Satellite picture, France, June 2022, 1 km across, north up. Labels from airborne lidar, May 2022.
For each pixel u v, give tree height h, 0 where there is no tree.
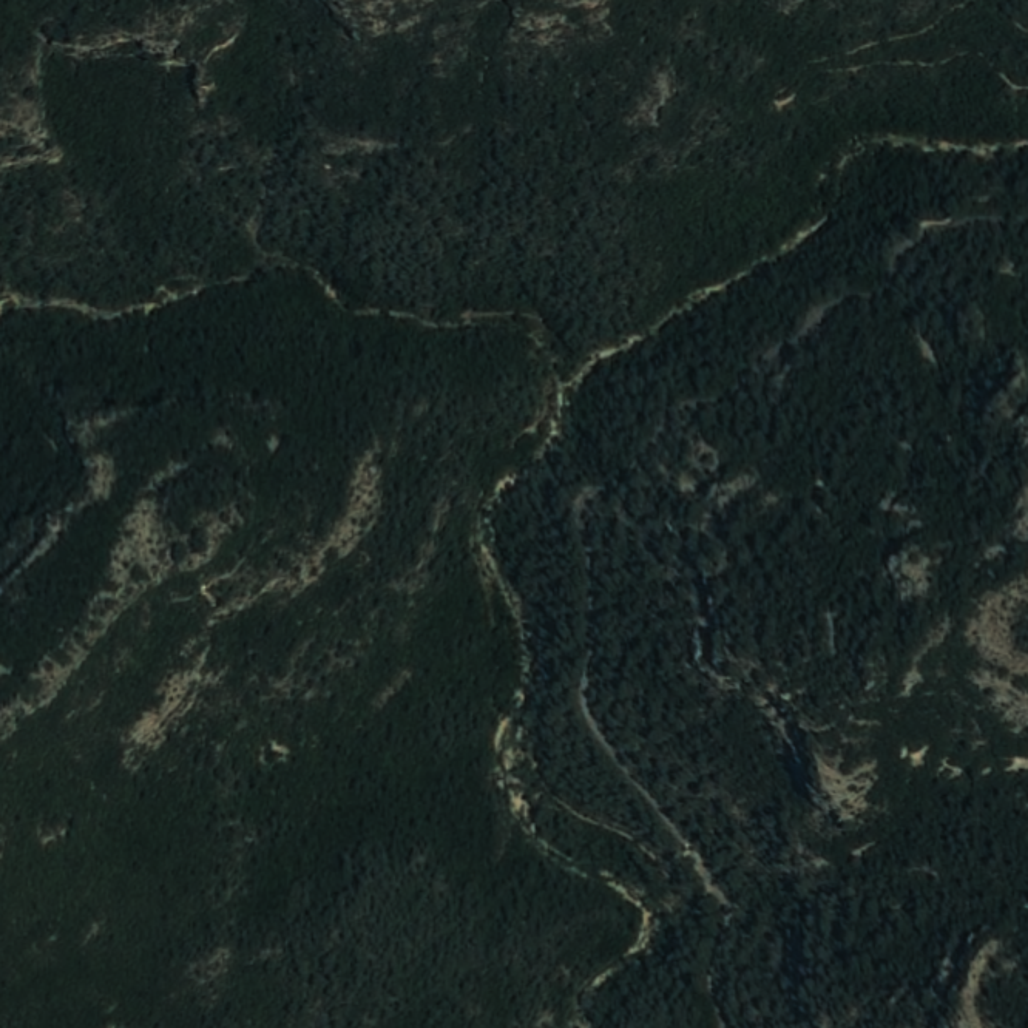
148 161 9
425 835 7
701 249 13
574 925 14
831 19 9
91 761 6
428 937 14
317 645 14
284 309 12
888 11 7
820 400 11
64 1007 6
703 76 12
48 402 7
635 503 22
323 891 17
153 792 10
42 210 7
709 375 21
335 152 17
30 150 14
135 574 7
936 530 7
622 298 25
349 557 8
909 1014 8
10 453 15
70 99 14
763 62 11
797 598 7
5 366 8
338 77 6
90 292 28
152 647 6
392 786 18
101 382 14
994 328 12
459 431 20
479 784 7
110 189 15
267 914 9
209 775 7
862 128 13
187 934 6
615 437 9
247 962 9
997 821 7
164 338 11
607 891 13
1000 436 9
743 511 20
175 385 11
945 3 13
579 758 25
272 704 6
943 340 9
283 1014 8
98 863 7
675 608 8
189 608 7
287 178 7
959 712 7
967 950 17
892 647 6
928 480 33
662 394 24
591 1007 18
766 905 7
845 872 13
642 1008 20
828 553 10
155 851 6
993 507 8
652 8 8
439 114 7
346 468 6
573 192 6
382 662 7
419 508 21
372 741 16
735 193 27
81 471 11
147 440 8
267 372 11
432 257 18
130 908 7
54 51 10
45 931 6
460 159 10
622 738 25
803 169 16
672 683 9
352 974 8
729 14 9
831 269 9
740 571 7
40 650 7
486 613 10
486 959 10
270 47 12
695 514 21
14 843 6
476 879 8
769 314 11
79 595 8
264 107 12
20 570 15
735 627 16
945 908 20
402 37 7
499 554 7
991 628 0
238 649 8
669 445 14
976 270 12
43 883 7
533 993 10
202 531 7
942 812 7
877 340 7
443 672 7
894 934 6
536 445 15
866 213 15
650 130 10
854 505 13
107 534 8
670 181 6
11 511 5
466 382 9
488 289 11
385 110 11
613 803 26
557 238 7
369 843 18
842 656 9
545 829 15
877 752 8
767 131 13
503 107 7
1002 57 21
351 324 9
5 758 7
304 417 7
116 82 10
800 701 7
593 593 9
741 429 31
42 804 6
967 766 5
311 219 6
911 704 8
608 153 8
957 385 12
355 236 25
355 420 14
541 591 12
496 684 12
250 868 7
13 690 11
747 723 10
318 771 9
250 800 8
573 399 8
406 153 10
